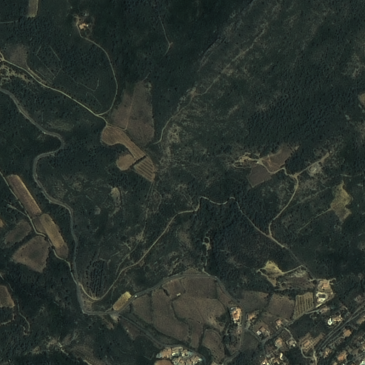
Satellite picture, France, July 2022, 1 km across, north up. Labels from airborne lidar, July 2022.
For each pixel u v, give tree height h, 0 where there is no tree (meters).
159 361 0
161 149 0
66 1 0
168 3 14
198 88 0
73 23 0
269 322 0
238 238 7
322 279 0
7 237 0
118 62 15
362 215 8
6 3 8
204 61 0
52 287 12
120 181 10
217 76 0
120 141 0
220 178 11
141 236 0
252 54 0
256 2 0
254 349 0
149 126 0
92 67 8
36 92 8
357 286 10
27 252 0
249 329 6
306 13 11
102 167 0
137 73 6
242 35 8
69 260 6
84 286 0
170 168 0
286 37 10
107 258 0
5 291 0
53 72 10
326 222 0
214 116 0
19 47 0
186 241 0
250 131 9
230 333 6
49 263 7
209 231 5
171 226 6
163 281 0
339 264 8
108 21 6
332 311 9
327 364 13
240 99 0
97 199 0
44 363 12
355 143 8
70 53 13
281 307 0
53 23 9
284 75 14
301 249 0
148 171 0
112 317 0
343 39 7
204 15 15
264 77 6
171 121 0
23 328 7
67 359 17
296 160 13
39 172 0
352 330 13
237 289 8
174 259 9
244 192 7
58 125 0
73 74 8
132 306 10
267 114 10
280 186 0
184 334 0
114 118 0
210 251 8
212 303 0
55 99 8
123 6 6
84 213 6
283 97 11
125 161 0
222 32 0
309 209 10
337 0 8
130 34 9
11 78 13
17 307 7
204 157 8
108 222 0
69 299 13
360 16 8
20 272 15
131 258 6
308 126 8
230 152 7
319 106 10
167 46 0
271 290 6
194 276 0
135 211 0
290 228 9
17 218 10
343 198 0
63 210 8
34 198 0
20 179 0
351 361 6
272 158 0
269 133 9
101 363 0
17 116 9
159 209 7
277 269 0
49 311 6
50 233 0
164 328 0
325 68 9
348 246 10
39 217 0
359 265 6
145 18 8
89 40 0
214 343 0
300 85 7
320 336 0
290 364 7
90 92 0
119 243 0
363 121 11
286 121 8
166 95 0
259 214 11
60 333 12
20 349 17
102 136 0
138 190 9
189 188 8
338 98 10
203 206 17
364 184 7
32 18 9
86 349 0
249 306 0
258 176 0
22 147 6
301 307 0
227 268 8
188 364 0
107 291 0
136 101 0
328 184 0
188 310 0
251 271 0
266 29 0
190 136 0
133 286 0
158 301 0
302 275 0
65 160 10
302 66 9
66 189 0
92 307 0
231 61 0
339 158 9
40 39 10
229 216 11
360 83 8
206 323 0
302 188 0
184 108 0
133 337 0
